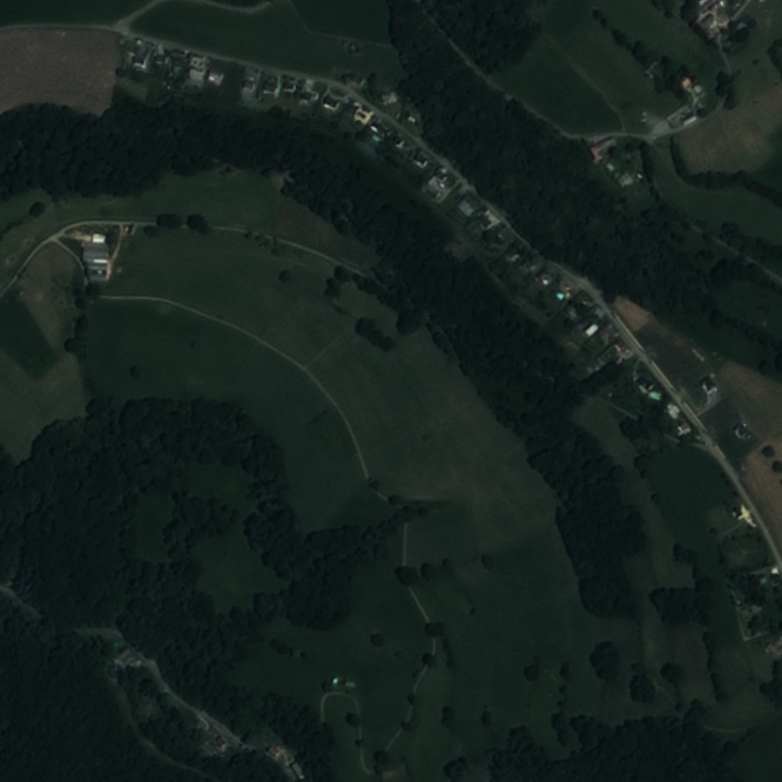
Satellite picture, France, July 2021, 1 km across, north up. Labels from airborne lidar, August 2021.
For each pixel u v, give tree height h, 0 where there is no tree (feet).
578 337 0
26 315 0
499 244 48
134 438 90
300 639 0
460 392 0
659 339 0
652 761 98
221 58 0
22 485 42
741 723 0
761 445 0
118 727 72
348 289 0
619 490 39
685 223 31
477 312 69
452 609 0
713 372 0
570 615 0
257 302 0
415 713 0
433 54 80
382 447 0
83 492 89
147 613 74
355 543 83
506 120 70
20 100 0
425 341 0
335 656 0
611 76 0
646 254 62
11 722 70
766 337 64
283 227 0
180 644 102
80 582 87
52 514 87
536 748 71
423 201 0
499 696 0
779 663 48
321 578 76
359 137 45
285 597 67
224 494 0
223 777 56
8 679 63
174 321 0
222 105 0
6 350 0
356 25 0
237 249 0
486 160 67
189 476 27
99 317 0
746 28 31
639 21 0
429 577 59
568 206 71
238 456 53
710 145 0
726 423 0
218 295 0
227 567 0
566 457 81
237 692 61
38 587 100
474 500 0
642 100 0
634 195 0
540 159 92
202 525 92
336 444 0
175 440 29
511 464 0
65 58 0
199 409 50
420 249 54
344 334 0
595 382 66
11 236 0
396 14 61
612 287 64
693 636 0
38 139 83
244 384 0
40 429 0
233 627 71
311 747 83
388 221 48
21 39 0
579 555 76
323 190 54
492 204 55
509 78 0
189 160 71
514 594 0
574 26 0
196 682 29
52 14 0
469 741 0
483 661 0
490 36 69
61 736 78
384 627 0
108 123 62
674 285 59
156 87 0
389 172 0
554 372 49
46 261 0
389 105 0
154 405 74
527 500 0
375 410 0
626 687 0
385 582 0
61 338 0
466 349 52
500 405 23
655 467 0
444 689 0
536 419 47
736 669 0
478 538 0
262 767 84
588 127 0
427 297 71
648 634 0
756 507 0
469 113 71
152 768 47
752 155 0
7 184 80
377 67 0
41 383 0
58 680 65
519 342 68
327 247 0
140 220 0
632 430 62
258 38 0
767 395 0
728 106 24
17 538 94
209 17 0
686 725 46
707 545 0
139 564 41
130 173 84
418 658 0
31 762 74
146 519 0
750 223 0
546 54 0
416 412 0
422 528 0
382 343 52
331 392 0
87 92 0
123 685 72
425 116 36
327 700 0
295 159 75
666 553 0
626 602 90
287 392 0
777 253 53
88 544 89
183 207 0
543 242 63
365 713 0
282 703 69
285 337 0
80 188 91
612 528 96
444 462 0
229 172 47
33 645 82
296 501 0
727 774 72
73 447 86
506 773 87
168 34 0
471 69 60
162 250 0
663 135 0
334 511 0
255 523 73
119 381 0
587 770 85
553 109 0
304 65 0
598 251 65
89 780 70
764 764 0
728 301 0
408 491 0
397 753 0
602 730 61
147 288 0
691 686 0
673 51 0
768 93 0
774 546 0
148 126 73
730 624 0
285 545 67
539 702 0
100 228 0
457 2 86
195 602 94
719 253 0
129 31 0
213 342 0
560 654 0
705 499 0
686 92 35
